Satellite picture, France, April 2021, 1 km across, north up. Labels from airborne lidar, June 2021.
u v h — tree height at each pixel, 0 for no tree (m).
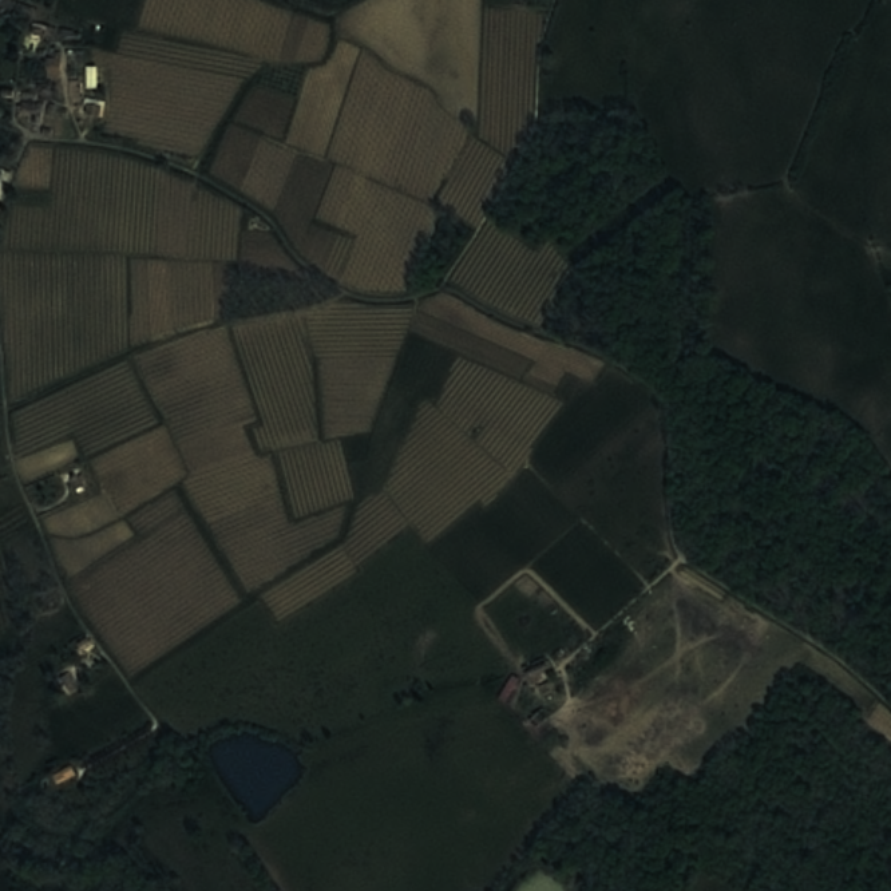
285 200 0
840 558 19
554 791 0
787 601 22
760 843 17
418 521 0
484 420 0
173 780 21
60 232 0
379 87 0
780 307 0
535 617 0
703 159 0
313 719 0
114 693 0
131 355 0
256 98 0
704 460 18
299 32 0
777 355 0
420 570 0
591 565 0
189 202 0
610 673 0
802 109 0
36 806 16
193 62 0
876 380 0
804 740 16
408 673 0
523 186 15
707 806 12
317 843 0
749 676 0
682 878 25
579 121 22
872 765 16
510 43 0
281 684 0
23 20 8
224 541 0
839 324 0
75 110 0
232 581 0
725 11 0
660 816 13
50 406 0
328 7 0
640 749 0
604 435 0
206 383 0
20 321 0
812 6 0
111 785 9
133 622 0
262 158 0
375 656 0
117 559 0
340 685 0
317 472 0
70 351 0
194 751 10
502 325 0
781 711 14
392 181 0
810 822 17
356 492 0
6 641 0
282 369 0
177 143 0
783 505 23
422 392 0
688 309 24
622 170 26
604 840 25
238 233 0
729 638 0
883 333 0
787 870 18
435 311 0
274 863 0
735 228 0
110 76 0
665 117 0
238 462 0
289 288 20
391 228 0
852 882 18
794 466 20
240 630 0
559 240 15
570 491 0
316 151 0
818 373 0
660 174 19
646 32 0
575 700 0
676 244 18
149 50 0
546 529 0
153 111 0
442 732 0
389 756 0
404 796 0
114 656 0
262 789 0
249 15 0
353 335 0
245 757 0
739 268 0
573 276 14
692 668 0
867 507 19
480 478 0
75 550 0
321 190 0
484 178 0
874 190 0
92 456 0
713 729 0
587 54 0
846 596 16
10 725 17
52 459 0
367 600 0
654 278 27
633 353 22
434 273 20
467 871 0
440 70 0
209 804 0
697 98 0
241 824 0
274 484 0
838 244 0
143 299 0
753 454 22
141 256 0
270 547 0
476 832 0
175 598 0
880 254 0
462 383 0
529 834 0
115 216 0
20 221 0
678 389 22
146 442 0
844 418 15
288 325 0
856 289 0
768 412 23
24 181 0
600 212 23
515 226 25
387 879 0
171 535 0
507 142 0
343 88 0
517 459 0
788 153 0
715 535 18
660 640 0
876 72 0
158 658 0
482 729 0
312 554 0
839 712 16
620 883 26
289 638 0
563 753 0
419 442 0
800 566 17
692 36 0
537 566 0
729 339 0
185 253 0
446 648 0
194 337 0
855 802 18
